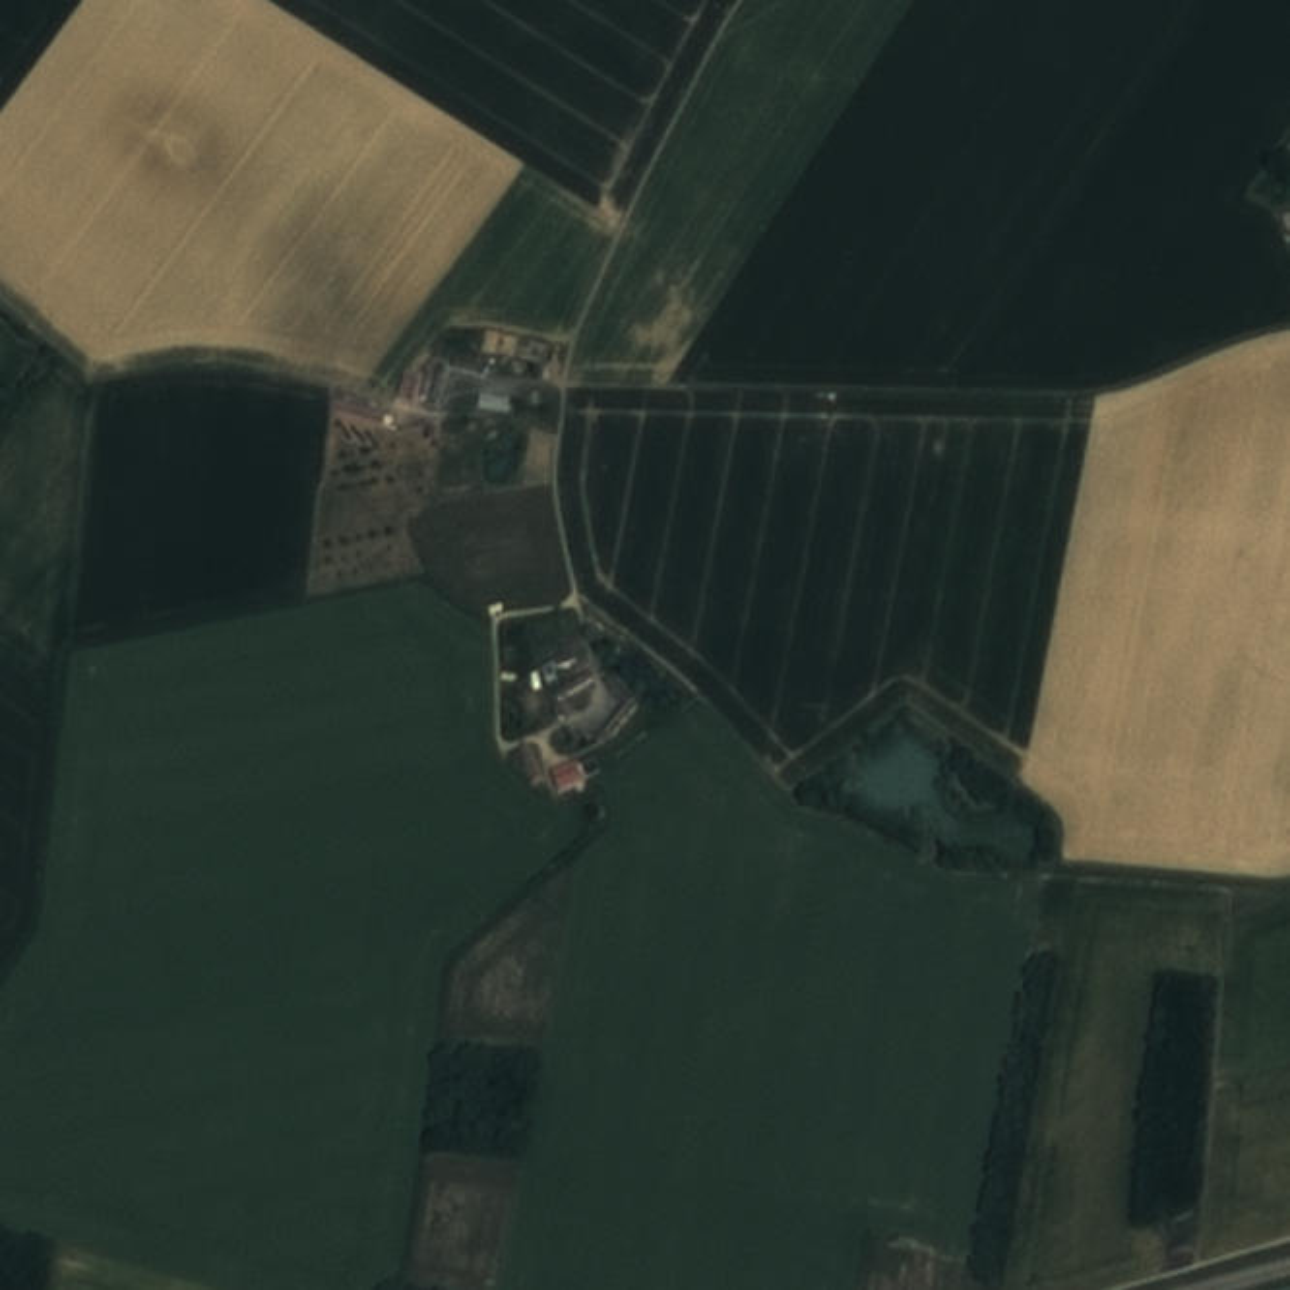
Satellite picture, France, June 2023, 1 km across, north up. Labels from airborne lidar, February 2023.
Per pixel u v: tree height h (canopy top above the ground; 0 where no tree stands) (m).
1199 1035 8
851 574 0
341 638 0
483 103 0
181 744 0
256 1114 0
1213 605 0
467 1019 0
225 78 0
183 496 0
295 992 0
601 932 0
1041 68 0
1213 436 0
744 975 0
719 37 0
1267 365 0
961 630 0
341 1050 0
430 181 0
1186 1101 11
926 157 0
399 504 0
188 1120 0
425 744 0
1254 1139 0
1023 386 0
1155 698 0
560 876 0
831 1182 0
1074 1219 0
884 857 0
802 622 0
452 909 0
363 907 0
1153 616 0
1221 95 0
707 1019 0
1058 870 0
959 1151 0
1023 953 0
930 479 0
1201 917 0
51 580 0
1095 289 0
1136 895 0
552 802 0
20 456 0
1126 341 0
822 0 0
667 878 0
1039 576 0
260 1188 0
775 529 0
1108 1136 0
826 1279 0
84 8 0
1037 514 0
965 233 0
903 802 0
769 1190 0
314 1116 0
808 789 10
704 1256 0
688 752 0
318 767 0
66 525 0
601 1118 0
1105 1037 0
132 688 0
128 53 0
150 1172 0
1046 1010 12
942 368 0
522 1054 8
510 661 0
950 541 0
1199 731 0
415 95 0
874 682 0
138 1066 0
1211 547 0
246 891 0
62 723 0
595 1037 0
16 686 0
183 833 0
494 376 0
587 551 0
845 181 0
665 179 0
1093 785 0
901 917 0
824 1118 0
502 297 0
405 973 0
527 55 0
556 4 0
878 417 0
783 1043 0
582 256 0
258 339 0
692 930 0
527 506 0
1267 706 0
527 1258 0
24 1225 0
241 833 0
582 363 0
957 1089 0
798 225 0
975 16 0
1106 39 0
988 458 0
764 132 0
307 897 0
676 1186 0
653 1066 0
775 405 0
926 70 0
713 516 0
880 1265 0
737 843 0
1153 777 0
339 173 0
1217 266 0
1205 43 0
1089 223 0
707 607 0
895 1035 0
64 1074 0
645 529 0
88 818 0
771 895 0
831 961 0
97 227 0
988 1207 15
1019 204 0
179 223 0
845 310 0
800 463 0
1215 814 0
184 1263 0
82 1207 0
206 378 0
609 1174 0
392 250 0
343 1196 0
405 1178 0
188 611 0
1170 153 0
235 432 0
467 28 0
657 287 0
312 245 0
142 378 0
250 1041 0
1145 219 0
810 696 0
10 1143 0
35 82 0
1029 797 8
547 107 0
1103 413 0
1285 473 0
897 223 0
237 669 0
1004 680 0
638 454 0
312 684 0
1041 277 0
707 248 0
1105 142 0
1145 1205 14
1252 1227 0
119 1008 0
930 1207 0
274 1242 0
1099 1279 0
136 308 0
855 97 0
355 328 0
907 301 0
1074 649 0
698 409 0
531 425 0
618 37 0
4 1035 0
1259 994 0
